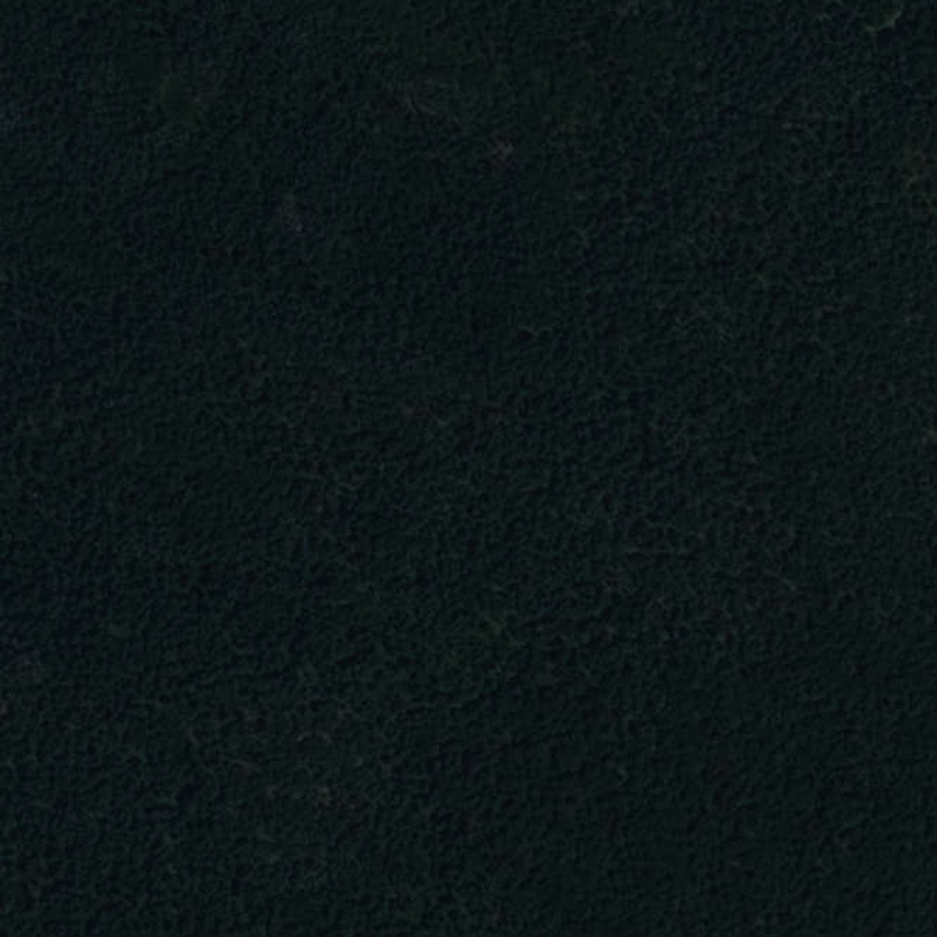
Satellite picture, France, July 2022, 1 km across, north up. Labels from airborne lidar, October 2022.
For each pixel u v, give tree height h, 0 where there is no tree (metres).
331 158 27
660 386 26
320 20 30
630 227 26
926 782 21
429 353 16
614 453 26
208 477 14
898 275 9
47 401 18
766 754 27
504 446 21
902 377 18
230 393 23
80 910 28
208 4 25
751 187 22
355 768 9
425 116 28
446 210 9
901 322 14
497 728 24
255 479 10
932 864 15
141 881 11
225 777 18
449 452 29
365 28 12
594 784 23
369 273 29
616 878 29
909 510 15
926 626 28
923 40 13
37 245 15
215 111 17
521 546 22
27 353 17
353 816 21
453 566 28
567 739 35
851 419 18
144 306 20
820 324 20
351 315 17
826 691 25
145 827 29
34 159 27
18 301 10
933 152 19
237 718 10
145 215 26
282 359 20
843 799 28
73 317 26
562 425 25
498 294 26
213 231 29
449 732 27
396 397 21
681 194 15
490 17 26
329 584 23
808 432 16
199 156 13
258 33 22
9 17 26
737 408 22
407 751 28
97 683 23
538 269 19
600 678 12
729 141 19
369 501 26
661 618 23
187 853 26
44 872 19
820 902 22
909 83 27
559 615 26
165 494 17
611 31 21
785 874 26
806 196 9
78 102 25
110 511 16
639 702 34
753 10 24
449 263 30
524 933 15
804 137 22
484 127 16
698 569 24
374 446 9
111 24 21
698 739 24
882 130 16
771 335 28
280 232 34
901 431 13
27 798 29
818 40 17
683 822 28
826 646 23
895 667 24
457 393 21
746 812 21
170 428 18
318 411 26
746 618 23
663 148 22
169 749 18
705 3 28
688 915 21
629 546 23
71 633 17
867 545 25
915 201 14
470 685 19
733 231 23
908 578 21
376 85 21
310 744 16
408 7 15
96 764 23
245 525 15
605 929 26
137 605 13
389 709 20
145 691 24
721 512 20
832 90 14
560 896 24
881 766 23
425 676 22
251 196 12
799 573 20
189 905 12
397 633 7
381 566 21
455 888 27
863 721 34
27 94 11
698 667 22
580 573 20
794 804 24
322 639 14
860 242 27
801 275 8
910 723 20
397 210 13
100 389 28
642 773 24
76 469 14
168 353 20
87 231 29
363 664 28
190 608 24
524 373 30
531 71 19
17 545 16
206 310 15
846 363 22
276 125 24
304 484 30
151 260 23
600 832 22
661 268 20
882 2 26
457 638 15
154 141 27
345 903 21
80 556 22
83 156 27
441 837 17
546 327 28
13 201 23
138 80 26
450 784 30
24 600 30
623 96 24
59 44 15
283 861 12
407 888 16
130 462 9
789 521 23
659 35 12
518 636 23
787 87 12
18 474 17
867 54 27
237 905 32
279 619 11
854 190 14
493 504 25
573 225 26
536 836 21
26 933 21
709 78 26
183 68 22
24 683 14
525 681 24
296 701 13
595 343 17
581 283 30
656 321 26
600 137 17
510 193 24
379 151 22
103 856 17
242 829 22
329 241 27
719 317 20
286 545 21
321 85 17
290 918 24
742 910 9
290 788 13
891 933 24
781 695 18
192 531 22
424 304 31
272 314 13
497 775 16
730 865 21
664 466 25
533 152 31
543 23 22
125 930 16
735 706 21
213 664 23
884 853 19
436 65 15
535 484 20
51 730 20
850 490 6
